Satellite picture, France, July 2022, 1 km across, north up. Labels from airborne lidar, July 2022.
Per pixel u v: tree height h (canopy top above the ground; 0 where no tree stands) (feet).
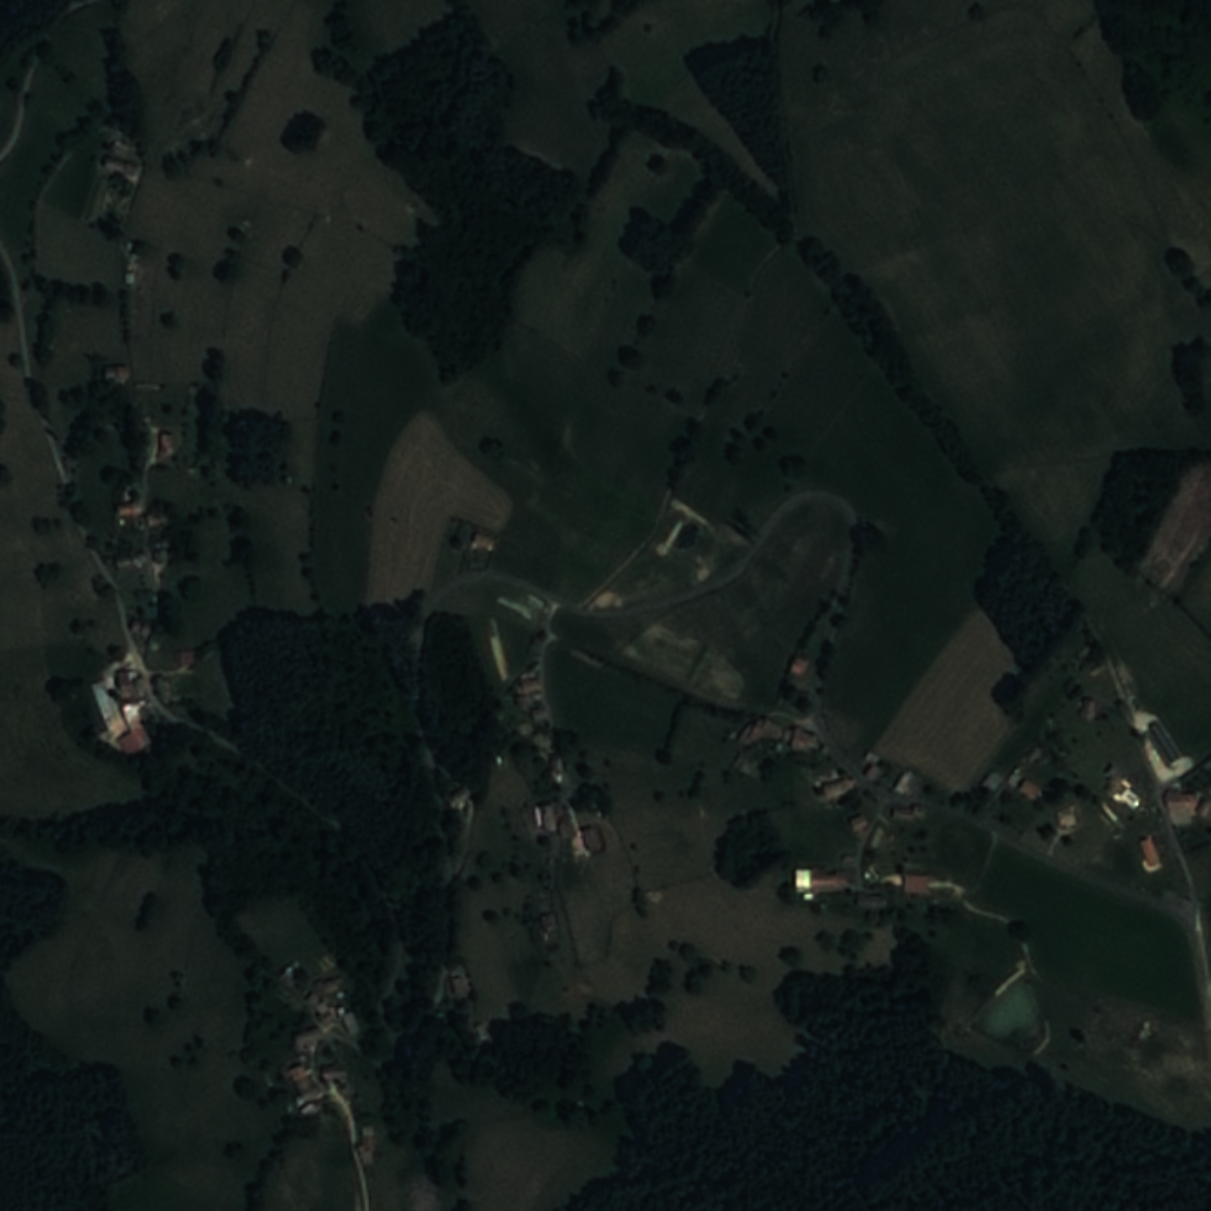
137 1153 104
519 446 0
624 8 39
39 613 0
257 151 0
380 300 0
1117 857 0
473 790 55
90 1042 0
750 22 0
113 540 34
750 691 0
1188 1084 0
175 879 0
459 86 52
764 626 0
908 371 53
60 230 0
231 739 54
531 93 0
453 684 28
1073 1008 0
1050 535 0
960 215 0
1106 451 0
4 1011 78
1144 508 46
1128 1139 63
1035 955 0
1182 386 52
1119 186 0
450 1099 0
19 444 0
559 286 0
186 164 56
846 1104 109
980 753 0
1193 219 0
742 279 0
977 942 0
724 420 0
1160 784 0
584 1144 0
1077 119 0
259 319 0
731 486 0
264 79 0
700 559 0
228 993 0
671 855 0
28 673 0
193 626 0
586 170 0
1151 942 0
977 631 0
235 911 39
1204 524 0
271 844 81
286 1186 0
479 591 0
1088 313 0
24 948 48
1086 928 0
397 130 22
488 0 0
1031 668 106
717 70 101
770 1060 0
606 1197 75
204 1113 0
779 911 0
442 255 27
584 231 28
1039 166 0
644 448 0
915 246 0
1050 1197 130
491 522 0
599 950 0
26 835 45
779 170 93
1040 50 0
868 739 0
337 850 60
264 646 74
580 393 0
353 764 89
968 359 0
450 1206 0
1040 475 0
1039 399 0
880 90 0
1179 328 0
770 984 0
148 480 0
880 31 0
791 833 0
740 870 48
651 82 0
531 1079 81
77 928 0
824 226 0
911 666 0
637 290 0
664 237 91
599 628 0
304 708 63
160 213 0
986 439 0
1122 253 0
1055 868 0
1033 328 0
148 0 0
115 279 0
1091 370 0
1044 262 0
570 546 0
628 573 0
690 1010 0
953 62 0
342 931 24
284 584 0
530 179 88
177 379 0
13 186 0
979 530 0
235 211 0
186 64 0
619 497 0
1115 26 79
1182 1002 0
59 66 24
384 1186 0
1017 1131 144
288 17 0
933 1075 90
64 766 0
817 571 0
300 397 0
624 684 0
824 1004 55
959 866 0
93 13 0
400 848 83
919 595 0
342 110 0
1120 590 0
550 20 0
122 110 73
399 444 0
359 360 0
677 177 0
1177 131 0
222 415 21
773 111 88
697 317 0
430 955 84
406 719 0
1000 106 0
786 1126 119
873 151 0
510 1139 0
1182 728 0
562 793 33
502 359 0
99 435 32
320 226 0
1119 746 0
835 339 0
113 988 0
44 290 66
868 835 0
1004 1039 0
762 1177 109
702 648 0
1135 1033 0
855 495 0
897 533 0
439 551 0
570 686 0
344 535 0
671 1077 104
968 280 0
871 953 0
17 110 0
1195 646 0
